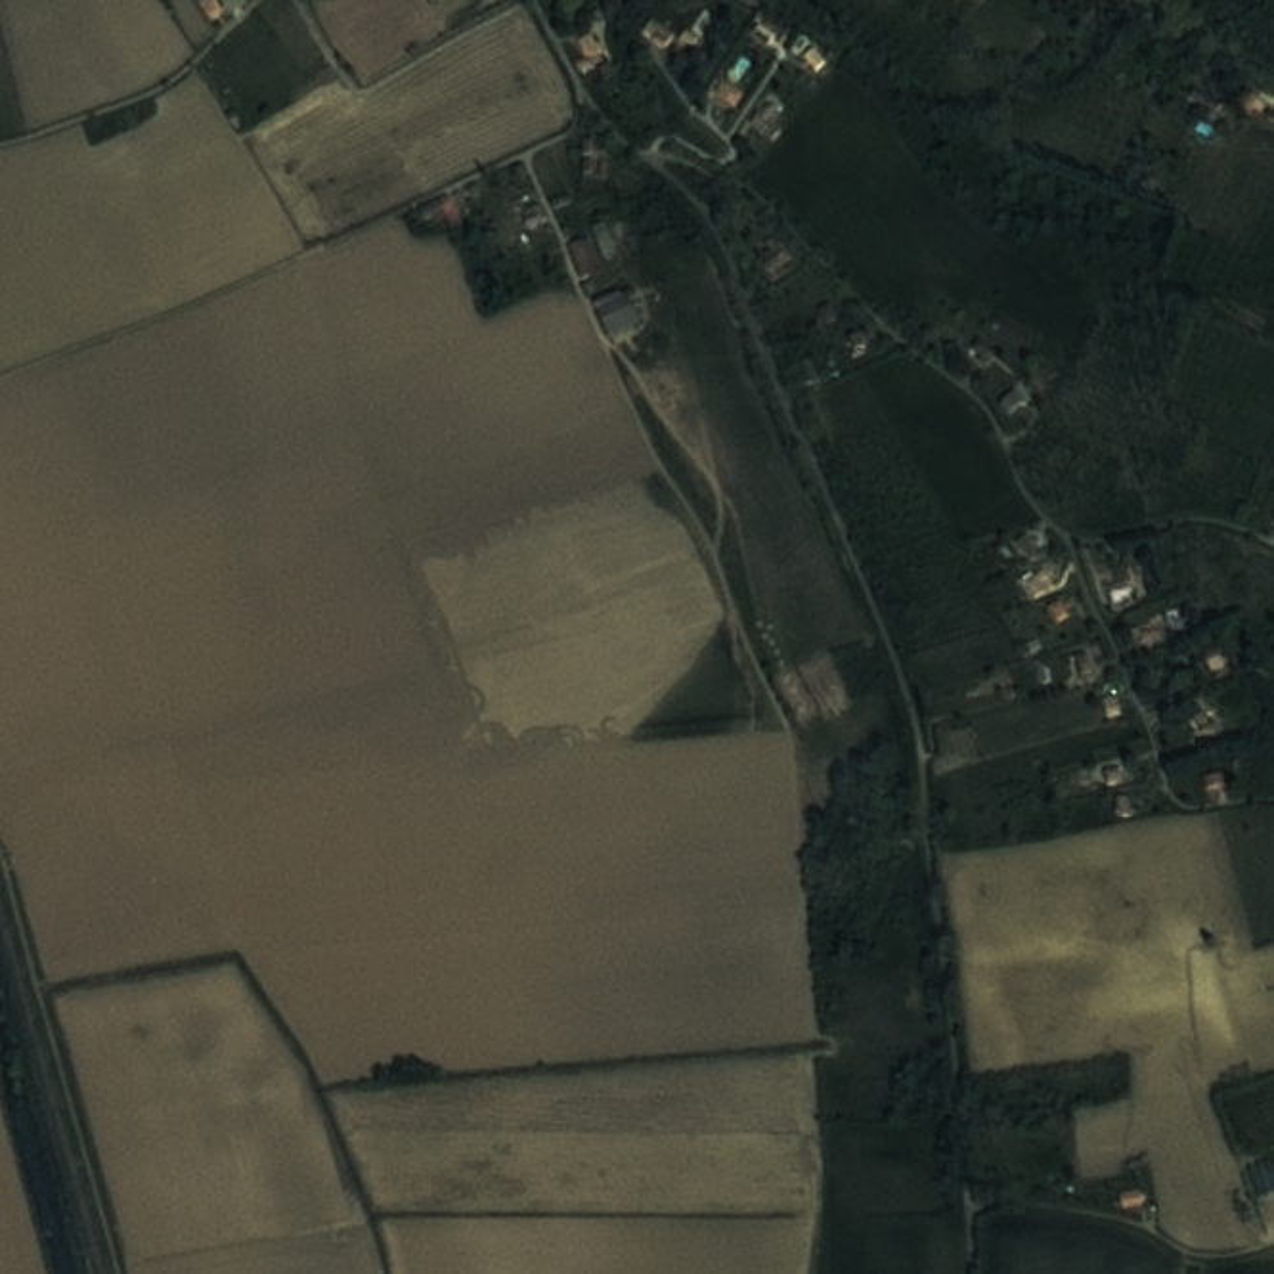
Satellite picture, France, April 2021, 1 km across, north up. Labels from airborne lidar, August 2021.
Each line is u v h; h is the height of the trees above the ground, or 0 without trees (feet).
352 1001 0
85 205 0
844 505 36
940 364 33
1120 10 36
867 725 0
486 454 0
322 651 0
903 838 29
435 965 0
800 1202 0
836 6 27
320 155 0
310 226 0
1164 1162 0
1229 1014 0
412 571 0
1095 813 0
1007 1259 0
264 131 0
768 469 0
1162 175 37
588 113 22
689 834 0
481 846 0
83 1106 0
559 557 0
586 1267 0
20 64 0
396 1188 0
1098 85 25
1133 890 0
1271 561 0
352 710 0
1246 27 38
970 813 0
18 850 0
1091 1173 0
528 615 0
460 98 0
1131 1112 0
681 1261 0
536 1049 0
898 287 0
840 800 57
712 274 0
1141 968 0
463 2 0
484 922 0
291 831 0
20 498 0
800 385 45
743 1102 0
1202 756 47
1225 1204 0
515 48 0
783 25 28
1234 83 43
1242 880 0
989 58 34
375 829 0
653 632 0
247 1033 0
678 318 0
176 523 0
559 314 0
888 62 27
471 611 0
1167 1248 0
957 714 0
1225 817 0
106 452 0
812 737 0
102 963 0
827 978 0
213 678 0
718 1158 0
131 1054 0
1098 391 74
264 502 0
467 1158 0
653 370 0
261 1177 0
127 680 0
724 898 0
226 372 0
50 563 0
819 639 0
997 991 0
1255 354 19
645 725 0
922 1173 0
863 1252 0
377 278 0
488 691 0
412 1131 0
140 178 0
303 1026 0
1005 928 0
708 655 0
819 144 0
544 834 0
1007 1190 47
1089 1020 0
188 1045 0
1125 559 28
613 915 0
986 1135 31
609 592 0
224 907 0
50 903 0
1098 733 0
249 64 0
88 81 0
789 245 28
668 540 0
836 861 40
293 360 0
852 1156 0
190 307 0
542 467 0
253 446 0
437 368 0
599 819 0
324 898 0
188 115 0
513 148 0
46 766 0
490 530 0
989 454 0
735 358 0
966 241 0
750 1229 0
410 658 0
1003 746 0
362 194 0
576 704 0
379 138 0
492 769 0
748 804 0
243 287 0
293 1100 0
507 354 0
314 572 0
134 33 0
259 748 0
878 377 0
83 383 0
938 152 24
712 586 0
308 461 0
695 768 0
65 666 0
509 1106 0
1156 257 21
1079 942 0
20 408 0
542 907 0
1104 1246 0
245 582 0
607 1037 0
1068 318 0
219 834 0
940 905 64
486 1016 0
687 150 21
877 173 0
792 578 0
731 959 0
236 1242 0
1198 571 0
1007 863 0
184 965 0
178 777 0
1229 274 21
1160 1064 0
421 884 0
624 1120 0
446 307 0
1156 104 22
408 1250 0
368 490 0
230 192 0
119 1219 0
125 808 0
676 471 0
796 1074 0
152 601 0
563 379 0
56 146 0
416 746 0
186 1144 0
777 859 0
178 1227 0
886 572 28
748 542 0
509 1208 0
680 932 0
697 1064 0
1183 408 23
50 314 0
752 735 0
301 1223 0
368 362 0
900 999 0
